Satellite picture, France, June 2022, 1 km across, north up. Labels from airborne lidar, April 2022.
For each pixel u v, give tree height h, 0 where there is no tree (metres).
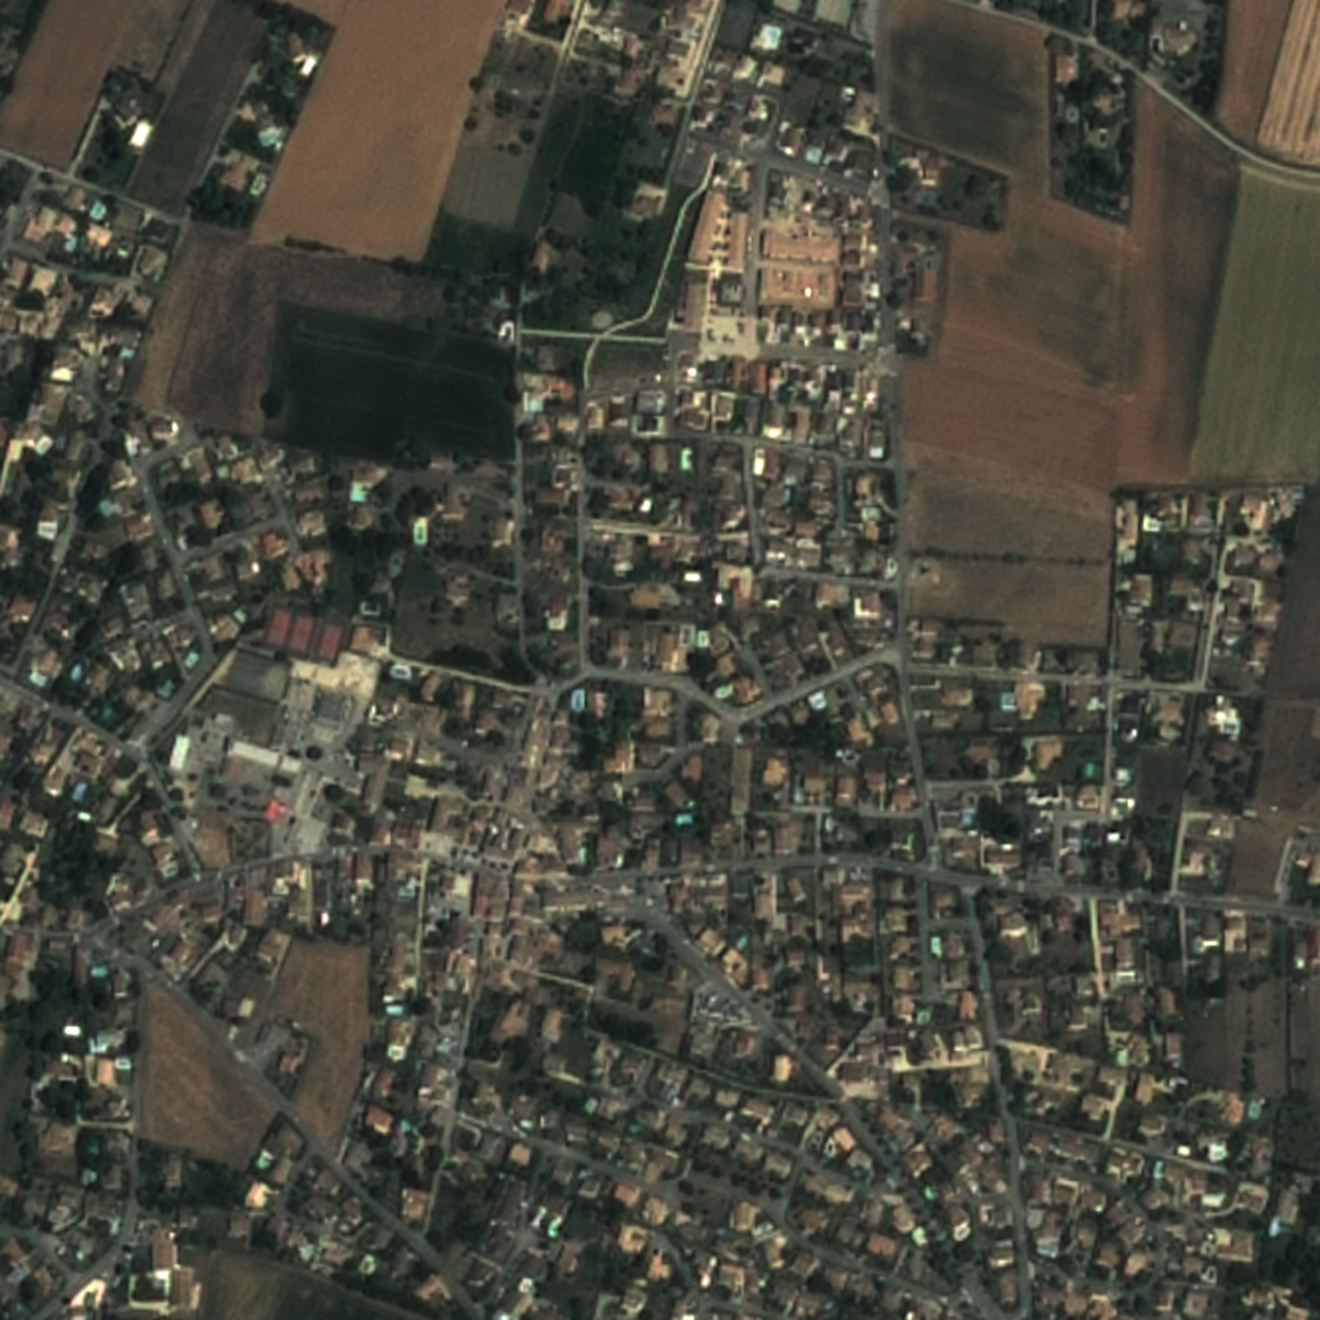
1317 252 0
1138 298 0
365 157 0
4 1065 0
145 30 0
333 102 0
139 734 0
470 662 7
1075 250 0
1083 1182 0
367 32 0
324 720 0
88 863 14
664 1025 0
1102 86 11
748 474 0
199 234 0
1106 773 0
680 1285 6
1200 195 0
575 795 0
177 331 0
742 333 0
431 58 0
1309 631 0
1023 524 0
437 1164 10
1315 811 0
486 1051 5
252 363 0
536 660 13
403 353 0
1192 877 0
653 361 0
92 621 9
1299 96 0
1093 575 0
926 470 0
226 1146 0
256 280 0
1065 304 0
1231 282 0
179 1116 0
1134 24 9
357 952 0
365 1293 8
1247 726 6
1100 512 0
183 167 0
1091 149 7
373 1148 7
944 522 0
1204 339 0
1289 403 0
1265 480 0
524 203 0
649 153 0
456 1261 0
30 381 12
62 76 0
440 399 0
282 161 0
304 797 0
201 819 0
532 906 0
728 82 0
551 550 14
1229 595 8
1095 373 0
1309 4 0
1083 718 0
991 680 0
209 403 0
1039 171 0
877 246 0
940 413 0
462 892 0
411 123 0
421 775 7
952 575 0
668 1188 0
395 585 7
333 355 0
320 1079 0
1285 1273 9
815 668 8
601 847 0
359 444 0
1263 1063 0
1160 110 0
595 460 13
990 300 0
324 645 0
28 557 8
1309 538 0
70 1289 0
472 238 0
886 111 0
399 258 6
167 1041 0
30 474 13
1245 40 0
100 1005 17
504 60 0
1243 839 0
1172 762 0
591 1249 0
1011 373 0
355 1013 0
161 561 6
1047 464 0
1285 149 0
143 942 0
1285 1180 6
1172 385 0
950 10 0
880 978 8
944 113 0
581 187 8
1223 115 0
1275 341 0
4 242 0
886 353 0
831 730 12
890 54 0
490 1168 8
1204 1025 0
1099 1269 5
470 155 0
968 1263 10
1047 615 0
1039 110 0
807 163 0
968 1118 11
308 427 0
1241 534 8
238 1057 0
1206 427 0
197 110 0
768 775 0
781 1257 7
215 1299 0
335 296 0
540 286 14
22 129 0
